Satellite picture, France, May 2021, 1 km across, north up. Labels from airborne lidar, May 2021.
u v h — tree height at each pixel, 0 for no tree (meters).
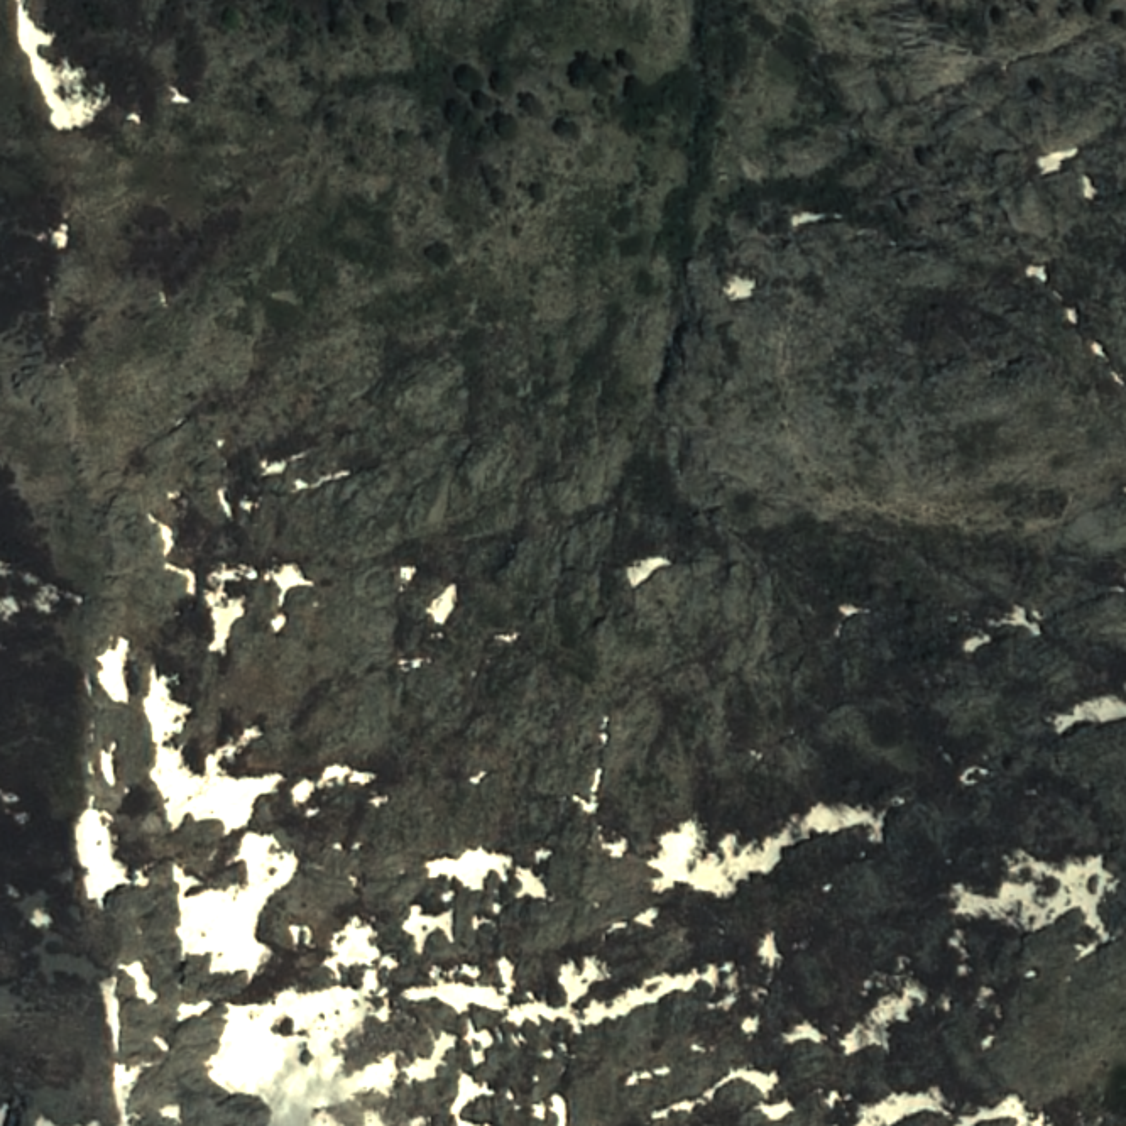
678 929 0
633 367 0
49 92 0
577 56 0
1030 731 0
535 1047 0
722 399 0
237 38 0
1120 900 0
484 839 0
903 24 0
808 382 0
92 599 0
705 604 0
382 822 0
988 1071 0
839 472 0
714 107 13
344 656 0
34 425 0
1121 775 0
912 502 0
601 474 0
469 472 0
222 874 0
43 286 0
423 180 0
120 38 0
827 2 0
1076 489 0
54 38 0
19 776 0
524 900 0
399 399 0
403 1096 0
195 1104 0
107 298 0
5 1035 0
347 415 0
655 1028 0
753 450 0
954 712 0
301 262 0
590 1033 0
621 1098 0
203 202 0
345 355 0
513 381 0
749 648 0
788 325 0
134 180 0
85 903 0
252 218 0
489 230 0
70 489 0
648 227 0
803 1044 0
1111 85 0
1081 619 0
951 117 0
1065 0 0
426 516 0
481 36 8
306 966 0
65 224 0
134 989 0
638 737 0
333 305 0
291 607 0
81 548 0
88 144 0
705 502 0
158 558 0
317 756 0
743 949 9
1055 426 0
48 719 0
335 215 0
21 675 0
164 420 0
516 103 0
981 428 0
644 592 0
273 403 0
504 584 0
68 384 0
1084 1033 0
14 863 0
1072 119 0
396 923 0
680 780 0
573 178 0
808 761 0
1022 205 0
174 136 0
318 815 0
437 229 0
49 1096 0
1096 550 0
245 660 0
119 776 0
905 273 0
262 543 0
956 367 0
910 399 0
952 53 0
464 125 19
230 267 0
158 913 0
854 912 0
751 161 0
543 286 0
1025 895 0
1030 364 0
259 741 0
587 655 0
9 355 0
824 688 0
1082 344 0
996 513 0
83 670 0
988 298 0
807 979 0
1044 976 0
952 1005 0
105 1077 0
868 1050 0
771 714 0
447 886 0
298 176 0
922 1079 0
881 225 7
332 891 0
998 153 0
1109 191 0
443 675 0
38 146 0
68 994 0
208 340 0
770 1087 0
